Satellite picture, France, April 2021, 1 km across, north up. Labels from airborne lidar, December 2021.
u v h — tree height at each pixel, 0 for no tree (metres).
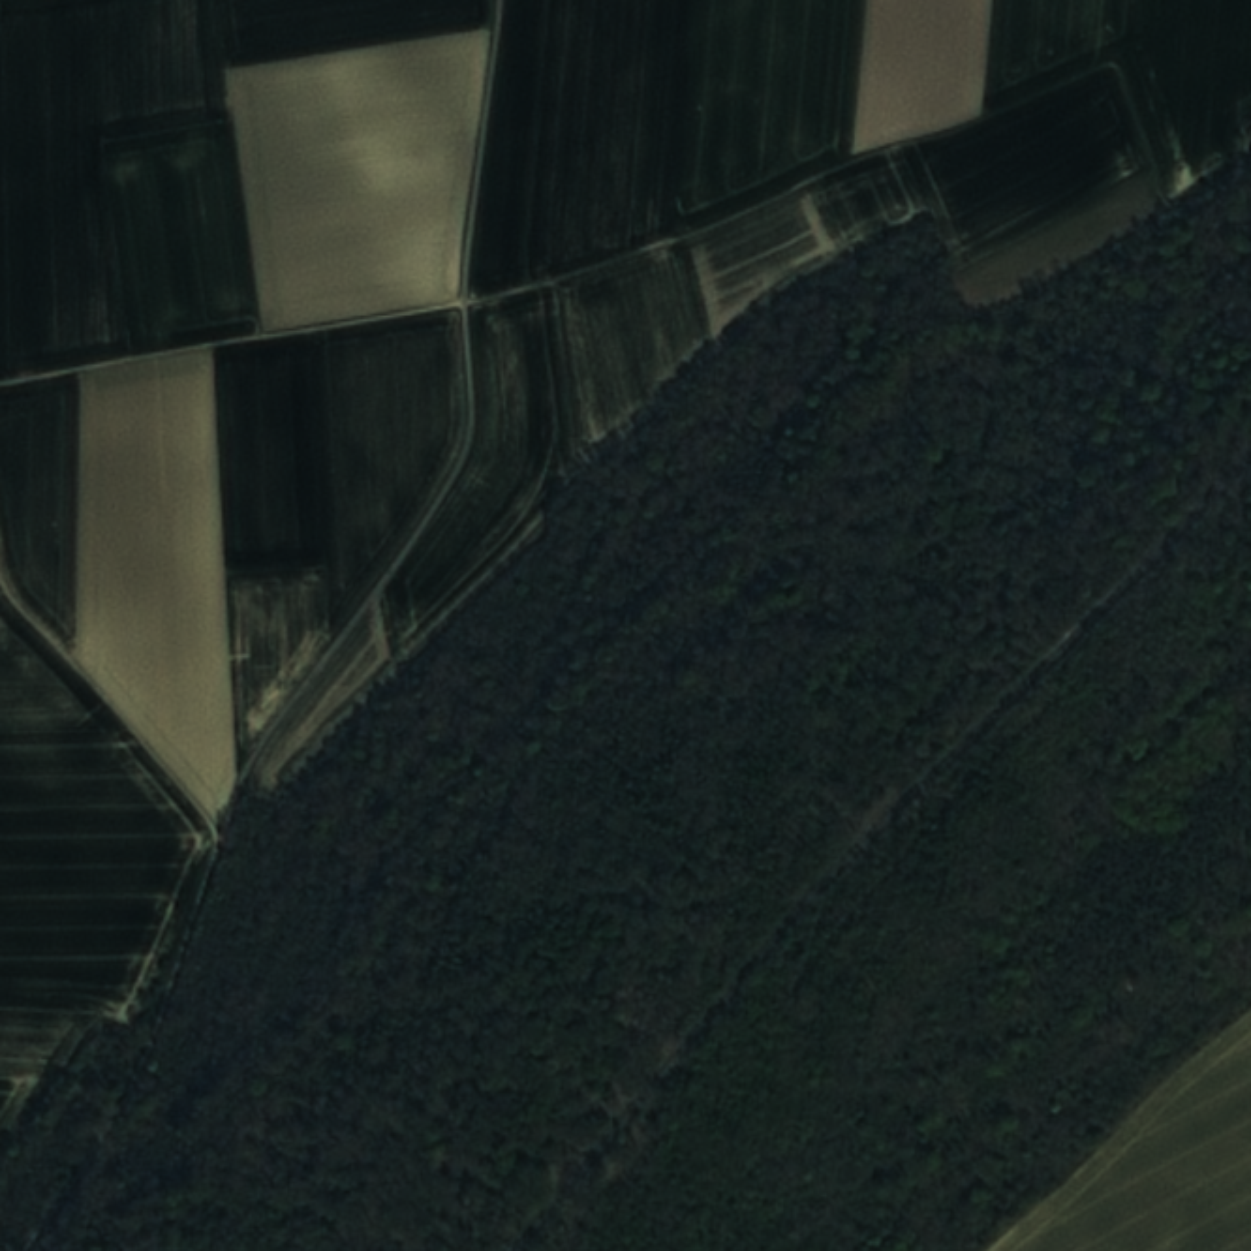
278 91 0
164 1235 20
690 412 20
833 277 8
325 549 0
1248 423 22
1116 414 25
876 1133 13
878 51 0
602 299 0
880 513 11
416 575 0
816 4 0
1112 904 13
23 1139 7
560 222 0
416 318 0
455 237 0
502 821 10
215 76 0
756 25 0
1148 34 0
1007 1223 14
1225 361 23
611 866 15
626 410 0
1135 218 0
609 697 11
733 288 0
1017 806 10
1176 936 20
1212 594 19
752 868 17
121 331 0
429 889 12
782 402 15
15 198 0
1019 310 9
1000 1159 15
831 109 0
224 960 9
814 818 21
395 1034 9
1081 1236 0
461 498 0
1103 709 15
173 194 0
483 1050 19
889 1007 15
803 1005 22
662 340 0
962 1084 15
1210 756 20
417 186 0
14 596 0
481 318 0
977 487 17
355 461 0
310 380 0
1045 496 7
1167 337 24
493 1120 26
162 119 0
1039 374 28
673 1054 0
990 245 0
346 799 18
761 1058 18
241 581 0
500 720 15
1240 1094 0
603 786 10
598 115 0
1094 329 8
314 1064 23
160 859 0
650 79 0
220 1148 20
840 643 22
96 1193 23
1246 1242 0
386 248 0
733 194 0
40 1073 0
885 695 24
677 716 11
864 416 25
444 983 13
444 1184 27
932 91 0
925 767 16
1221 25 0
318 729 0
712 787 21
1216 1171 0
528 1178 29
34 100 0
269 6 0
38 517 0
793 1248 16
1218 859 15
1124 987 8
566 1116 21
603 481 14
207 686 0
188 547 0
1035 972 15
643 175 0
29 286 0
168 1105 16
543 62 0
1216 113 0
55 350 0
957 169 0
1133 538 22
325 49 0
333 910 7
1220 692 17
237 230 0
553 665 12
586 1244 20
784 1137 14
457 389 0
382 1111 26
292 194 0
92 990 0
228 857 14
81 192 0
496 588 7
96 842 0
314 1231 25
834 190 0
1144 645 11
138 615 0
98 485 0
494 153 0
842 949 20
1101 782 20
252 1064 21
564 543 14
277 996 7
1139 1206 0
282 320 0
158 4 0
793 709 19
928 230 17
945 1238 18
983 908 18
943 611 22
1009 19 0
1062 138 0
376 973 12
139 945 0
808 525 17
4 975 0
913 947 12
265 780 0
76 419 0
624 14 0
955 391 26
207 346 0
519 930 11
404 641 0
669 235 0
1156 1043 21
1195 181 0
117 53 0
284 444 0
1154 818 22
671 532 15
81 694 0
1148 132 0
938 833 15
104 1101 20
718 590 20
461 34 0
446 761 23
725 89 0
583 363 0
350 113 0
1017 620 20
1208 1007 9
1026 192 0
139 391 0
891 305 16
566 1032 24
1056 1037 7
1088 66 0
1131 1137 0
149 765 0
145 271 0
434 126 0
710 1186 16
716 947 14
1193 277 21
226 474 0
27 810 0
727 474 17
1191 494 21
